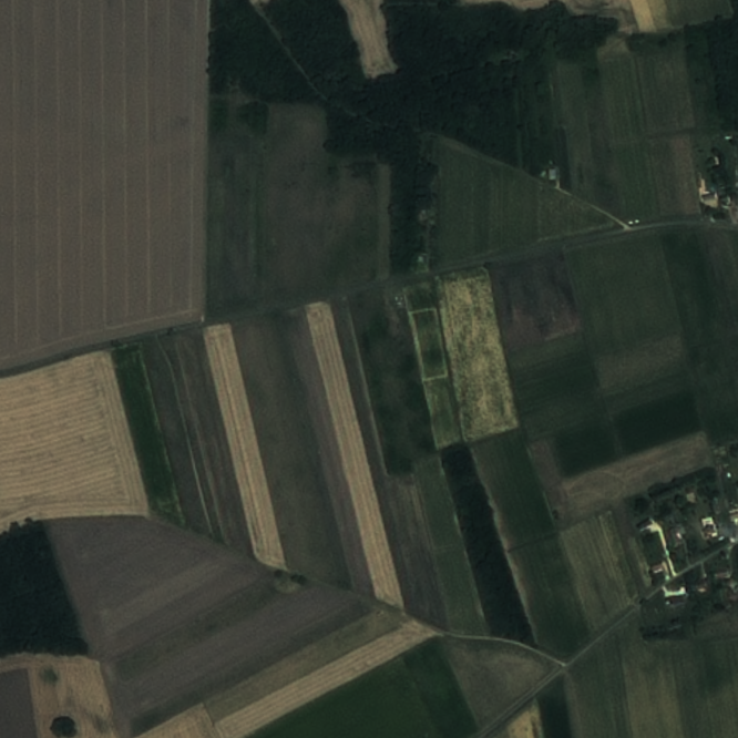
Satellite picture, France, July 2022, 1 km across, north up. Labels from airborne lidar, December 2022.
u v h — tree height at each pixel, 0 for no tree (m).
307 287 0
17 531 18
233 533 0
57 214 0
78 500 0
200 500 0
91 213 0
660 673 0
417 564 0
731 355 0
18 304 0
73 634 18
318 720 0
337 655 0
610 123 0
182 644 0
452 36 6
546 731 0
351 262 0
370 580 0
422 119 14
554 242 0
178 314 0
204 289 0
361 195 0
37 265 0
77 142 0
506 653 0
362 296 0
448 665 0
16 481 0
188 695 0
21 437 0
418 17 7
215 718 0
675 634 9
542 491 0
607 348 0
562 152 0
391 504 0
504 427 0
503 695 0
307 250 0
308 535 0
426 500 0
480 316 0
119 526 0
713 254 0
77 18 0
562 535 0
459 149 0
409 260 7
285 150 0
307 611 0
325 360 0
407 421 0
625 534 0
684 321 0
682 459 0
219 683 0
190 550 0
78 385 0
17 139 0
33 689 0
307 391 0
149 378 0
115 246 0
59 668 0
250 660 0
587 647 0
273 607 0
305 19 10
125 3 0
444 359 0
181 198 0
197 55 0
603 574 0
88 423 0
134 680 0
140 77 0
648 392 0
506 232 0
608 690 0
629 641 0
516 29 12
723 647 0
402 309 0
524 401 0
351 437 0
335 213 0
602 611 0
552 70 0
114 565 0
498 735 0
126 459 0
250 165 0
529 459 0
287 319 0
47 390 0
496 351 0
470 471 8
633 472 0
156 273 0
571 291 0
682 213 0
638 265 0
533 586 0
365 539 0
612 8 0
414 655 0
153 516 0
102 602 0
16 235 0
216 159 0
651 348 0
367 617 0
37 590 21
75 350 0
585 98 0
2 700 0
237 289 0
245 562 0
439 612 0
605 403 0
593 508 0
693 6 0
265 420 0
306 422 0
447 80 17
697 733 0
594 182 0
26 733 0
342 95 10
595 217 0
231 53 7
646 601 9
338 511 0
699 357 0
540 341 0
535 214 0
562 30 15
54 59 0
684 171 0
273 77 13
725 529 0
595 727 0
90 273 0
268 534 0
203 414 0
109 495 0
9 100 0
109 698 0
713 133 0
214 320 0
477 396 0
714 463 0
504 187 0
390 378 0
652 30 0
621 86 0
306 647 0
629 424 0
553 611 0
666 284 0
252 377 0
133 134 0
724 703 0
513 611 12
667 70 0
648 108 0
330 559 0
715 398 0
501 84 6
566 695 0
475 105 7
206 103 0
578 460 0
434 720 0
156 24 0
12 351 0
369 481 0
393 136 15
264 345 0
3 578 21
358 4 0
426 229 5
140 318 0
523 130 9
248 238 0
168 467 0
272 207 0
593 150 0
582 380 0
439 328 0
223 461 0
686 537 10
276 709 0
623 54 0
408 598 0
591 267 0
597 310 0
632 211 0
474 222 0
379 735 0
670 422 0
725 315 0
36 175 0
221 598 0
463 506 8
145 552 0
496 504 0
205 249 0
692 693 0
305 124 0
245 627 0
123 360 0
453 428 0
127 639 0
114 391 0
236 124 0
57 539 0
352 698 0
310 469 0
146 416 0
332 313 0
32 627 19
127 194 0
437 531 0
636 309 0
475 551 6
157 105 0
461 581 0
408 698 0
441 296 0
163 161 0
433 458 0
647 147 0
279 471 0
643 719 0
